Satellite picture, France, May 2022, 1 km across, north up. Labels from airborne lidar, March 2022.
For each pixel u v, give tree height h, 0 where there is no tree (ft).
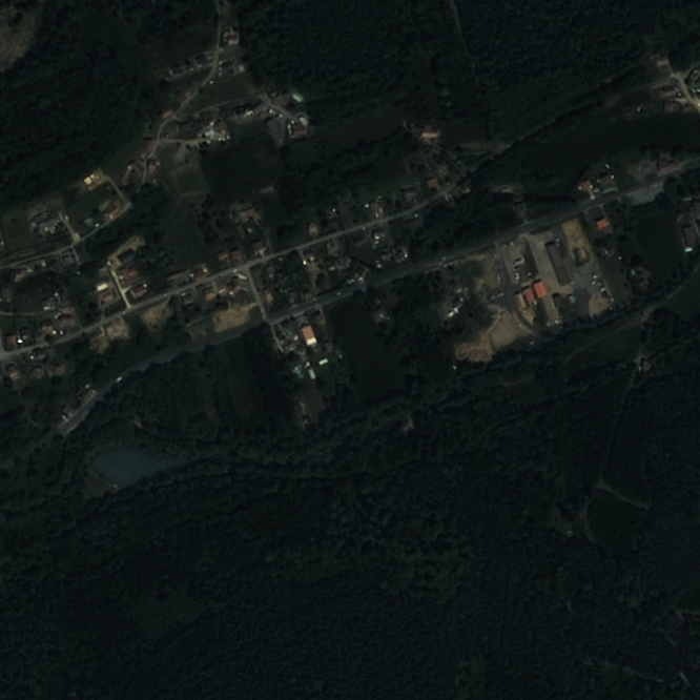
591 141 0
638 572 80
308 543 101
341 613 88
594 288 0
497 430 64
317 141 25
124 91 84
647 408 43
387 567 75
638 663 99
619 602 93
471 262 0
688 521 100
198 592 49
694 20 91
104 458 0
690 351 38
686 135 0
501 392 73
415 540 33
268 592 57
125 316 0
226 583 42
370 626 95
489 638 74
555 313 0
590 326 41
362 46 49
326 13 40
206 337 0
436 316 0
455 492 62
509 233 0
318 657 93
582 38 58
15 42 0
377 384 0
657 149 42
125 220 0
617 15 42
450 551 108
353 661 83
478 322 0
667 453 54
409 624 82
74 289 0
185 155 0
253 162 0
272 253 0
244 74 0
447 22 51
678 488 66
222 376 58
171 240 0
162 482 48
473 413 60
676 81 0
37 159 73
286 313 0
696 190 59
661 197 0
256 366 55
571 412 59
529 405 0
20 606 49
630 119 0
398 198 0
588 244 0
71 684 120
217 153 0
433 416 86
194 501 56
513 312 0
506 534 66
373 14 45
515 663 61
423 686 92
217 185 0
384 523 49
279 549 68
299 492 26
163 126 0
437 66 62
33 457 25
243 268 0
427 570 108
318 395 0
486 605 94
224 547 56
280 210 0
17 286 0
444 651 87
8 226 0
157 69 0
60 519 35
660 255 0
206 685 71
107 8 29
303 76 68
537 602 77
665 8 65
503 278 0
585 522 0
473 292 0
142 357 0
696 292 0
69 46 72
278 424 59
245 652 83
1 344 0
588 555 103
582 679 89
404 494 102
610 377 60
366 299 41
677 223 0
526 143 32
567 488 33
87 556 53
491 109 77
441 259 0
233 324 0
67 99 34
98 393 0
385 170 0
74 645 40
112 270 0
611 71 63
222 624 51
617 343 0
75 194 0
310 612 93
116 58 96
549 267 0
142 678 54
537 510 55
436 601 93
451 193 0
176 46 0
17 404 0
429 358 57
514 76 72
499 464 57
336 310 0
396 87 60
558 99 61
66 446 30
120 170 0
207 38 0
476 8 42
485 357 0
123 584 39
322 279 36
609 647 111
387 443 77
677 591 93
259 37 104
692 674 98
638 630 103
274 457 82
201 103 0
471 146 0
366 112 42
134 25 61
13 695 77
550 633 93
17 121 41
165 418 81
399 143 23
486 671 44
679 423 69
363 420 81
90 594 54
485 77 72
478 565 73
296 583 52
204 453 72
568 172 0
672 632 71
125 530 67
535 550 78
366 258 0
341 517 95
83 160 80
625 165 0
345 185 61
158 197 29
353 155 52
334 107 53
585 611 89
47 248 0
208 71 0
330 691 77
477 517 80
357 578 61
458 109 45
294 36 44
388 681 87
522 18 52
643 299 37
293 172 81
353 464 81
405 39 42
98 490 0
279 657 79
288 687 70
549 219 0
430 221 46
